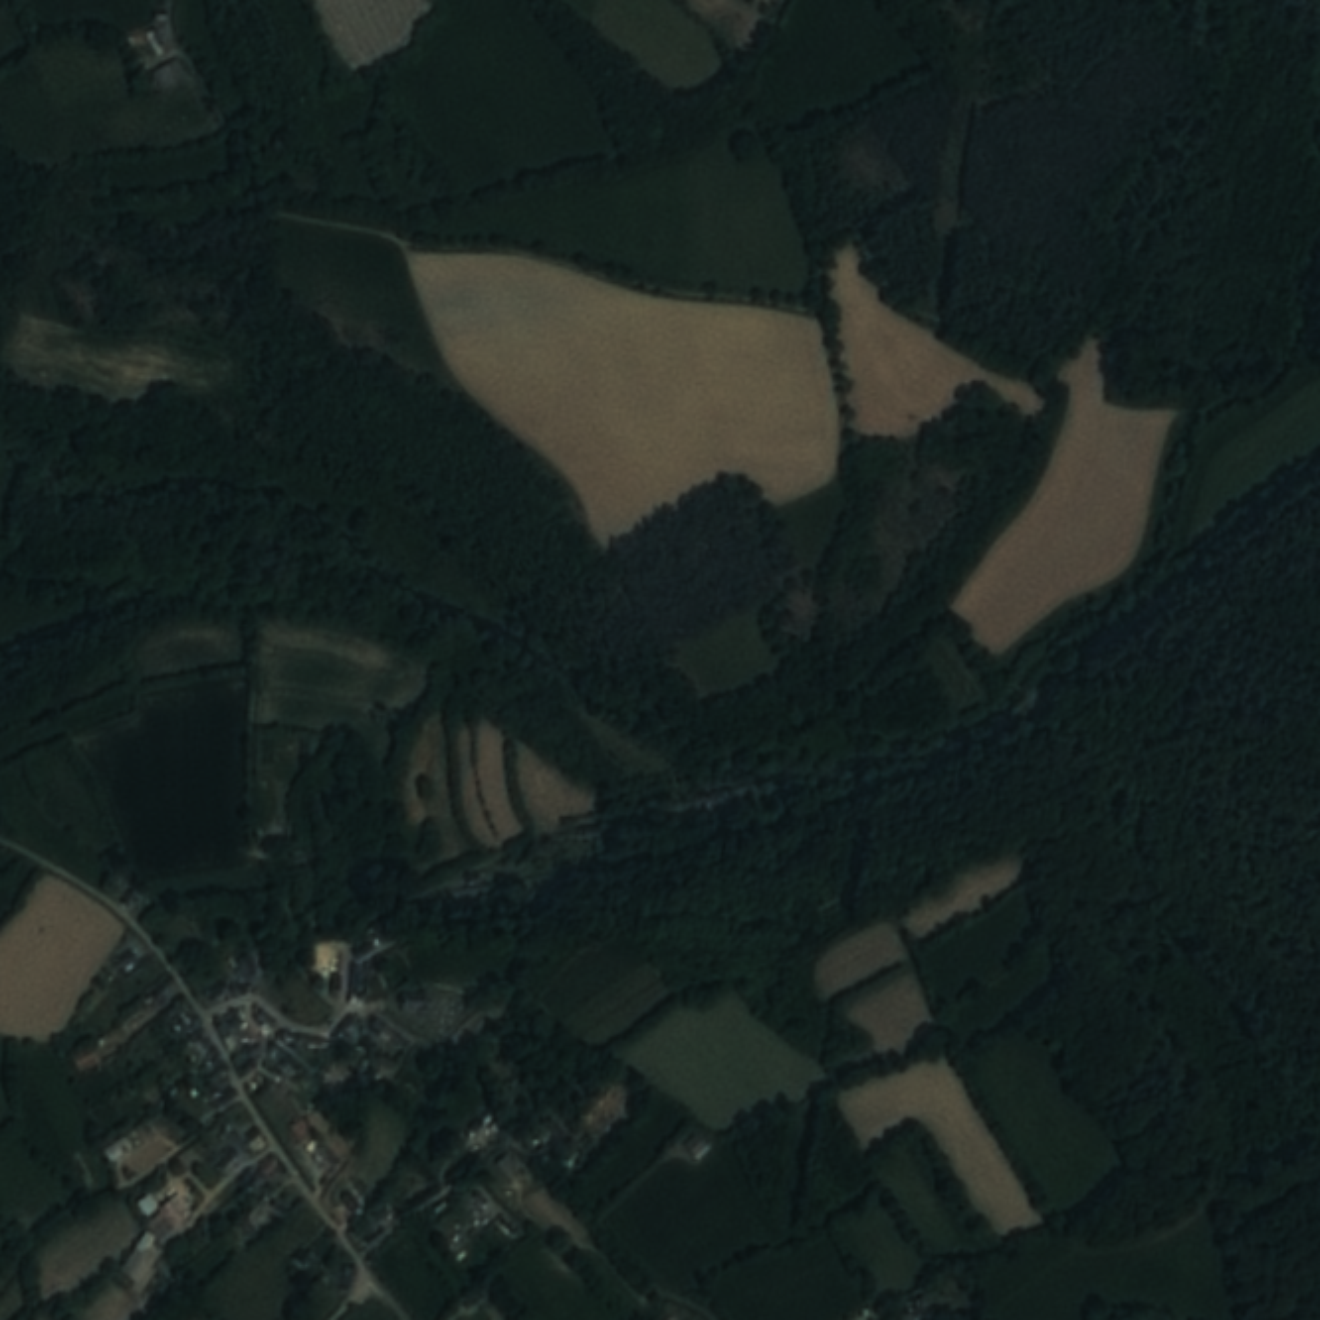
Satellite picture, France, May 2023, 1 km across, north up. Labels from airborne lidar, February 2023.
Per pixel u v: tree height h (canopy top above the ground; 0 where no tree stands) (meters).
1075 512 0
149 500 16
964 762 22
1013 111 12
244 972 0
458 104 0
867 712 17
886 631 17
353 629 15
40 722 8
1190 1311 0
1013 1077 0
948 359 0
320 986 10
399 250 0
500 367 0
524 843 9
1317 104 15
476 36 0
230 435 6
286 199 7
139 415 16
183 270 9
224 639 0
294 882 11
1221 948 20
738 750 6
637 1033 9
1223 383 34
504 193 13
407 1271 0
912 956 9
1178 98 14
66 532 15
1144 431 0
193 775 0
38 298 0
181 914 15
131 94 6
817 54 0
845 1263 10
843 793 9
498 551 18
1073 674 10
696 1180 0
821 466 0
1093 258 16
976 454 11
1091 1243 23
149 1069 6
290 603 9
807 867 26
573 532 12
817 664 11
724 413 0
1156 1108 26
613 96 17
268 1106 0
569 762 10
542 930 23
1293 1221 19
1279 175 16
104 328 11
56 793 0
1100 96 10
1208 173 7
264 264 15
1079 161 14
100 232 8
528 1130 10
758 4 7
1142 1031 24
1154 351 23
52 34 10
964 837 22
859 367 0
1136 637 35
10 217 11
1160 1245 0
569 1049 13
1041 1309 0
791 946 18
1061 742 17
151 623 14
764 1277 0
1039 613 0
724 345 0
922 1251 10
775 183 0
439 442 15
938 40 6
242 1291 0
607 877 23
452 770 6
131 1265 0
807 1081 0
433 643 12
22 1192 0
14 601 18
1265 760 24
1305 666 19
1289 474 9
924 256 22
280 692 10
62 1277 0
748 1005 7
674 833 21
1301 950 21
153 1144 0
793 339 0
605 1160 11
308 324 13
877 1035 0
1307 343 21
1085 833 26
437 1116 18
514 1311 12
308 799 8
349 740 21
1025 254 13
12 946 0
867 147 0
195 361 0
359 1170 0
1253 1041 38
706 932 25
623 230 0
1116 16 16
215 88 11
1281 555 14
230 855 0
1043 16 9
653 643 14
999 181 11
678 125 16
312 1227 0
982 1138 0
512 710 10
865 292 0
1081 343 12
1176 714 16
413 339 0
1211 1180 20
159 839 0
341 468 6
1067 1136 0
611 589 14
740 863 23
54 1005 0
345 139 7
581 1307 0
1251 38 13
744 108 20
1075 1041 24
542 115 0
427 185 13
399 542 0
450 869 11
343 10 0
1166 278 17
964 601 0
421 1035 0
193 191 10
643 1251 0
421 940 22
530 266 0
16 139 0
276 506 18
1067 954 25
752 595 21
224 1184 0
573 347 0
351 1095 17
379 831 16
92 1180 0
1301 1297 24
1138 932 24
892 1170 0
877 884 21
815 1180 16
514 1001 18
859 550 13
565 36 15
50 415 23
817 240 10
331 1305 0
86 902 0
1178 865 22
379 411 17
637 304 0
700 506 18
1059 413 8
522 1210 0
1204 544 10
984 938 0
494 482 15
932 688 15
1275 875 23
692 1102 0
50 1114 0
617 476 0
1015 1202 0
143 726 0
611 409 0
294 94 9
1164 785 23
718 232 0
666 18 0
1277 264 14
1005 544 0
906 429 0
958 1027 0
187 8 0
